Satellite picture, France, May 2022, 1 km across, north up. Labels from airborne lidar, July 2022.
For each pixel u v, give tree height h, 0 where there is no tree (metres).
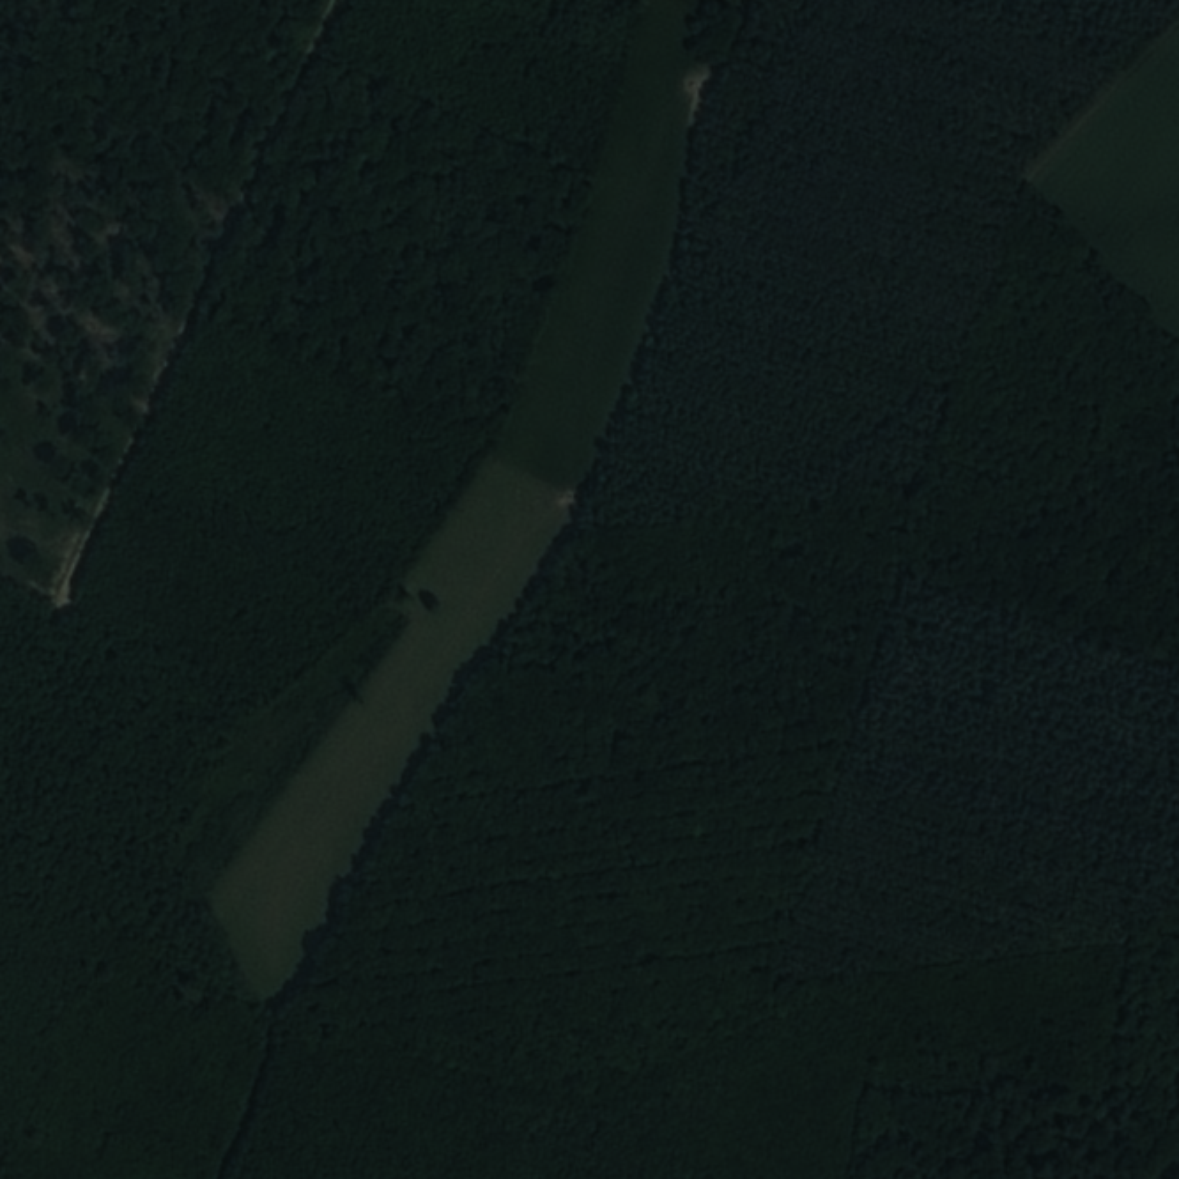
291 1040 15
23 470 0
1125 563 24
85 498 26
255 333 20
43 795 21
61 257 23
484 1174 16
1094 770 31
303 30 26
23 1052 17
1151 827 22
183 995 23
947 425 20
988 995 8
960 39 18
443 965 16
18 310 26
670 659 22
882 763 21
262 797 6
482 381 21
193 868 8
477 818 15
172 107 31
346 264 31
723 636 23
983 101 17
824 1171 12
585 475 0
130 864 20
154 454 17
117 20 27
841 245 18
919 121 20
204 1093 13
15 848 20
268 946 0
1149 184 0
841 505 24
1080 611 19
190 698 20
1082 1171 6
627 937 15
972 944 18
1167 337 14
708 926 15
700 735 17
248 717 15
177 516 14
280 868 0
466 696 19
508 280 25
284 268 22
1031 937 12
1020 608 21
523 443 0
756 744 17
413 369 28
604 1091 14
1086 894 14
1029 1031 14
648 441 20
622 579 21
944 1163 22
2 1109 17
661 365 20
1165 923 17
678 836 13
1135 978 16
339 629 13
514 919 17
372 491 16
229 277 27
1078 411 23
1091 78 17
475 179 24
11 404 0
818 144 19
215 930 21
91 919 18
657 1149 18
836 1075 11
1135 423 20
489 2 20
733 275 21
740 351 20
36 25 33
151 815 22
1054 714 27
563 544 16
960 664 27
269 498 16
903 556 19
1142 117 0
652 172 0
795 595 22
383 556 18
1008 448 22
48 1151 11
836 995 16
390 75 15
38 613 20
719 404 21
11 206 24
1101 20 25
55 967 16
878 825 19
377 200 32
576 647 19
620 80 17
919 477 14
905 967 15
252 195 23
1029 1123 20
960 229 13
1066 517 23
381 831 20
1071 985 6
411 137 27
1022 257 17
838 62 18
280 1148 19
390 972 17
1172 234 0
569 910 16
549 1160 19
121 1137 11
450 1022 19
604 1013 15
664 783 16
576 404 0
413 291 23
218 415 17
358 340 24
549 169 21
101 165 30
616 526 19
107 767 20
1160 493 28
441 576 0
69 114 30
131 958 13
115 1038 11
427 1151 19
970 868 18
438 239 25
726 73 20
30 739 19
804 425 17
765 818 15
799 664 18
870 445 25
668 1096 17
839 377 20
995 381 19
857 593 21
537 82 18
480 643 0
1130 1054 21
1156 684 29
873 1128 18
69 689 21
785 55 17
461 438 18
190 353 17
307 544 16
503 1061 17
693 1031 16
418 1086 18
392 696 0
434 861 16
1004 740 31
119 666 20
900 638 26
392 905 17
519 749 19
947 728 26
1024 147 10
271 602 17
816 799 15
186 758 22
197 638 14
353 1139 19
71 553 0
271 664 15
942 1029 12
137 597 17
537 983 15
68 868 21
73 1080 11
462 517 0
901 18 21
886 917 15
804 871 18
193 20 25
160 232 30
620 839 16
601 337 0
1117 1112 27
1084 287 15
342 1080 19
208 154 31
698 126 8
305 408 18
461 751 20
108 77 28
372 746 0
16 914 16
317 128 21
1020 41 19
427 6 17
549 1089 17
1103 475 21
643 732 19
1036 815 29
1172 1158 23
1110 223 0
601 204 0
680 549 18
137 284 26
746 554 23
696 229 21
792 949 20
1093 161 0
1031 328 18
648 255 0
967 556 22
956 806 30
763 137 15
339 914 21
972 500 22
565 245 28
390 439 18
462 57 17
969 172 14
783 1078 12
